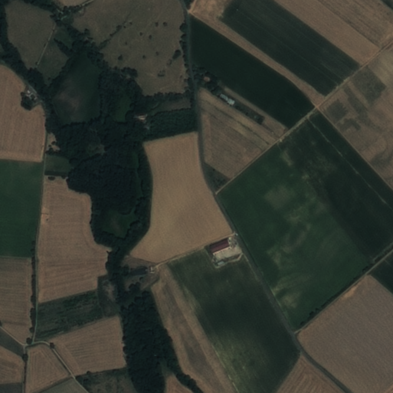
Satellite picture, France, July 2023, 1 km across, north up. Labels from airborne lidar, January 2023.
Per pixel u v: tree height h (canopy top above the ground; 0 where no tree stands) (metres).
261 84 0
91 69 0
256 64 0
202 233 0
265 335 0
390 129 0
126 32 0
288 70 0
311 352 0
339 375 0
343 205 0
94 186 35
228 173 0
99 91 0
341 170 0
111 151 33
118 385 0
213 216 0
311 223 0
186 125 9
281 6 0
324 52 0
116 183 36
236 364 0
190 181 0
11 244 0
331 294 0
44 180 0
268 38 0
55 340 0
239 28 0
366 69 0
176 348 0
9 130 0
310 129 0
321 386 0
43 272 0
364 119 0
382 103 0
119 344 0
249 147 0
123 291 17
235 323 0
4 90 0
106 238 19
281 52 0
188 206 0
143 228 22
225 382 0
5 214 0
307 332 0
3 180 0
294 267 0
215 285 0
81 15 0
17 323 0
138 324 18
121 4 0
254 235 0
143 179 22
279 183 0
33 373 0
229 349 0
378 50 0
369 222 0
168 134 11
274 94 0
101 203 16
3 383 0
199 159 0
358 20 0
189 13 0
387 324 0
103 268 0
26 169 0
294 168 0
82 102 0
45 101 26
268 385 0
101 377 0
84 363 0
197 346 0
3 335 0
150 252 0
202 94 0
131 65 0
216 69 0
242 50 0
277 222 0
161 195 0
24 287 0
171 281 0
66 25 6
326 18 0
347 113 0
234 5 0
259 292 0
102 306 15
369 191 0
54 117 19
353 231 0
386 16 0
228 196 0
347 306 0
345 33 0
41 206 0
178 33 0
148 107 10
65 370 0
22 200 0
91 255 0
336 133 0
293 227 0
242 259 0
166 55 0
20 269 0
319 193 0
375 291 0
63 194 0
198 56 0
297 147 0
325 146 0
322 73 0
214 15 0
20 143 0
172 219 0
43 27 0
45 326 0
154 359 23
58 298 0
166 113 9
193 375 0
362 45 0
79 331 0
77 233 0
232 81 0
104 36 0
